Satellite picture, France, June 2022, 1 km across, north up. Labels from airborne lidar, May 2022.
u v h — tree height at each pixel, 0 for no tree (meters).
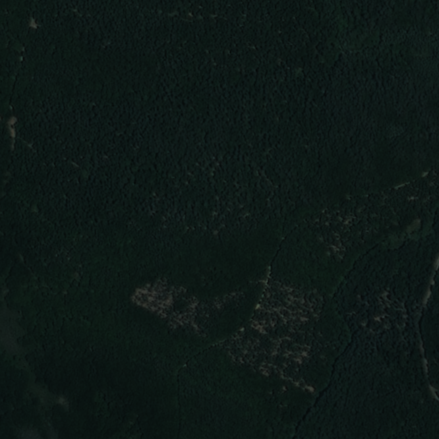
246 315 15
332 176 18
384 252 19
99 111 19
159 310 13
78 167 9
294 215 16
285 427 24
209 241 15
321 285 14
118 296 11
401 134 17
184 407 17
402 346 25
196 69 20
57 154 19
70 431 12
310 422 22
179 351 16
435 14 15
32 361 9
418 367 9
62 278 10
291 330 15
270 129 11
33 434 0
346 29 15
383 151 17
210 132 20
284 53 19
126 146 16
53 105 20
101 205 13
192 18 14
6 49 11
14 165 15
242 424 18
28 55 20
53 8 12
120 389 18
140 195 22
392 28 24
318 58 22
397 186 13
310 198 23
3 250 14
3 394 11
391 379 17
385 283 14
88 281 7
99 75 18
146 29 12
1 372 12
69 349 12
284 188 21
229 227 21
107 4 19
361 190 15
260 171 11
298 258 18
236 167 15
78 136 14
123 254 8
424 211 22
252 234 17
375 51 23
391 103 23
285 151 19
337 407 27
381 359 14
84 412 13
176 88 9
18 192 12
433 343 16
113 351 13
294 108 12
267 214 21
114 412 9
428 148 15
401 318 24
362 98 23
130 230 12
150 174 16
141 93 25
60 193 14
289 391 18
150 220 8
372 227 18
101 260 11
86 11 14
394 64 10
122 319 13
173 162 20
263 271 14
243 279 13
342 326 16
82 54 15
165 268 12
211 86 17
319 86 18
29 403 8
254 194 11
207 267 9
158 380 18
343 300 24
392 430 16
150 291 16
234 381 15
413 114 14
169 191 11
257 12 15
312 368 19
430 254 14
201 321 13
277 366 14
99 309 15
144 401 17
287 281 16
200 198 14
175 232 15
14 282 12
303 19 17
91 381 13
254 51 14
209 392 21
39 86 17
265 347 14
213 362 17
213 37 11
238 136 18
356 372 20
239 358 17
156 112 24
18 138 10
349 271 9
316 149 18
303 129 10
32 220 16
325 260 13
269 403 18
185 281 12
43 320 9
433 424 13
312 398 22
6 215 14
